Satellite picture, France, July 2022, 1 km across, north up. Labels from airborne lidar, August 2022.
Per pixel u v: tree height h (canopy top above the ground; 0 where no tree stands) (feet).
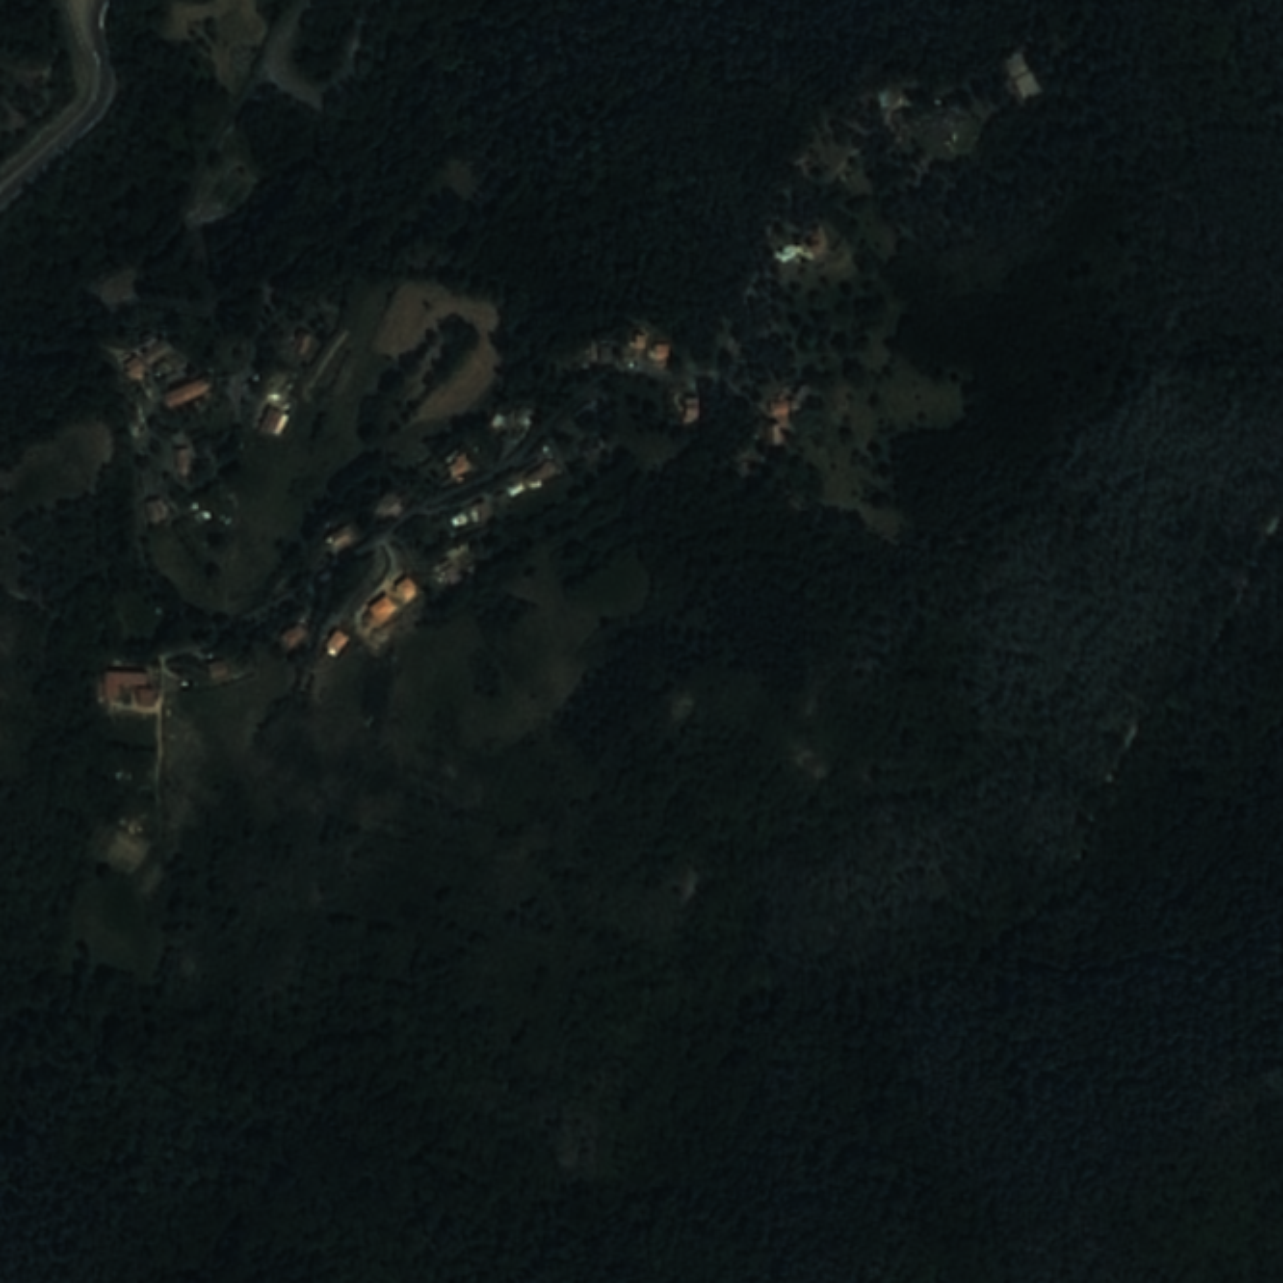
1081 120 23
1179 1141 36
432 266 27
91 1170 37
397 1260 70
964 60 30
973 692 73
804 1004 85
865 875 52
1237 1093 31
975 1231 78
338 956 25
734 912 54
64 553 28
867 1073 88
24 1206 71
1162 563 58
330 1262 23
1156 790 86
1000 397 34
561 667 0
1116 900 94
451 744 0
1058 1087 70
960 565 40
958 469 22
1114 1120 66
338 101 63
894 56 26
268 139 41
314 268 33
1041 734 38
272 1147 68
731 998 86
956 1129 72
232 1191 89
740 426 49
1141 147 42
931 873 23
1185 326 87
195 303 27
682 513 47
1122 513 61
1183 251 74
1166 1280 52
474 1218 56
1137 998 76
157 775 0
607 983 36
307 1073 41
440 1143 63
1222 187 79
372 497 38
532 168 27
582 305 53
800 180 42
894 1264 67
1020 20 27
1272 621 94
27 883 33
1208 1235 53
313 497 0
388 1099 70
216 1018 64
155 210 61
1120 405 53
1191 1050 73
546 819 29
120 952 0
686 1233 57
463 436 49
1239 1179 58
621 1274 75
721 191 58
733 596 56
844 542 26
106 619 50
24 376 80
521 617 34
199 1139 51
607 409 48
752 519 55
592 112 33
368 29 59
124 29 34
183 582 0
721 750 25
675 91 58
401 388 44
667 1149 75
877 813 64
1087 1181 59
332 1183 91
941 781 28
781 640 49
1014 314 38
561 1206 95
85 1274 40
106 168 67
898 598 48
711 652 32
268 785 0
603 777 29
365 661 0
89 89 0
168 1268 63
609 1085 22
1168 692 65
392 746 0
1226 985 68
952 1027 50
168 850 0
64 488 0
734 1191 37
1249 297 70
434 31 99
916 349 36
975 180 45
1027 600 53
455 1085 43
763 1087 52
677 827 42
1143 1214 21
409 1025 35
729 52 75
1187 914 83
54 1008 31
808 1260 65
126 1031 64
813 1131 46
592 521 20
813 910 60
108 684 0
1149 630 57
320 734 0
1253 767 89
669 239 64
